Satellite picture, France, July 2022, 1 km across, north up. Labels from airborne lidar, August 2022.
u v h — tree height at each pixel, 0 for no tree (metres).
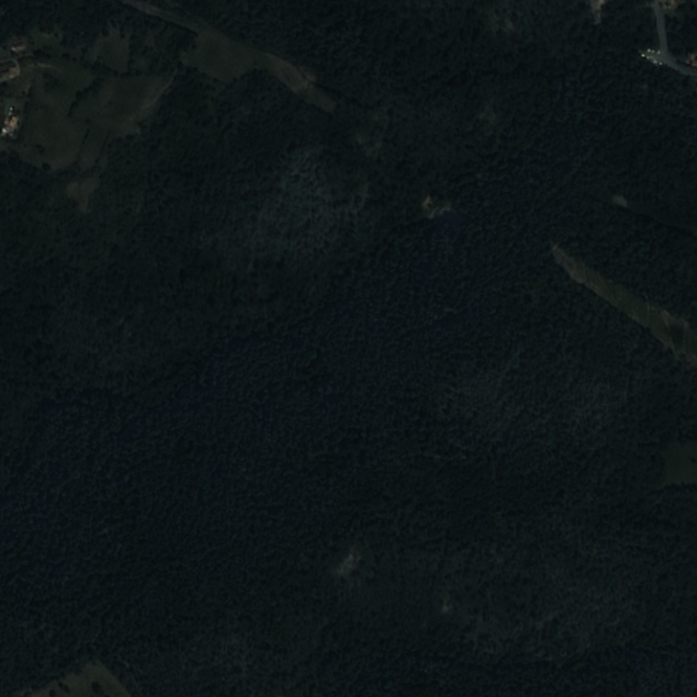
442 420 7
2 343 19
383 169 25
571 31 18
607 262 24
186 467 37
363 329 15
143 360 6
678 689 25
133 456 27
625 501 20
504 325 16
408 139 19
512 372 16
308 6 27
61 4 19
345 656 32
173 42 14
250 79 8
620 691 8
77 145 0
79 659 21
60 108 0
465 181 13
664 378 15
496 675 26
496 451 20
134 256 15
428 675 20
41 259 12
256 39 16
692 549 21
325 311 29
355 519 14
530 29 6
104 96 0
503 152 22
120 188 15
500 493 9
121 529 24
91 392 34
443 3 11
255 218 17
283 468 29
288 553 19
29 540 29
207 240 19
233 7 12
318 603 13
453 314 8
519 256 13
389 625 19
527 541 8
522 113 26
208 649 6
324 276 7
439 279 23
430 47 20
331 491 17
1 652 14
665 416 23
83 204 0
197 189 13
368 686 30
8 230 18
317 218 18
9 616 11
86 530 21
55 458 11
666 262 20
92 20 14
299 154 16
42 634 22
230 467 28
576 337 10
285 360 28
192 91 11
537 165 19
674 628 24
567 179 10
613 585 19
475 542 8
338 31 30
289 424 23
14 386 16
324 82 7
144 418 34
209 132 15
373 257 22
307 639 15
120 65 0
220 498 28
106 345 11
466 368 15
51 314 30
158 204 11
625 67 23
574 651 11
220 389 31
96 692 16
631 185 17
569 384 14
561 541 17
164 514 28
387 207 35
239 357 35
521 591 20
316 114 19
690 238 25
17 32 8
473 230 6
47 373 21
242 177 11
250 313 22
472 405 10
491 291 18
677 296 15
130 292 13
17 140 7
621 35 28
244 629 8
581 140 28
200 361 14
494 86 12
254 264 21
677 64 5
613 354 16
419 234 20
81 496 20
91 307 13
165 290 15
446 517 15
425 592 19
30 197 16
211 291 10
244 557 17
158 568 17
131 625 17
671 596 12
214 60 0
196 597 13
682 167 14
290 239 20
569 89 30
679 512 17
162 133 12
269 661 18
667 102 21
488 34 12
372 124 8
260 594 13
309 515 16
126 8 16
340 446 22
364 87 24
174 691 25
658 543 16
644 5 8
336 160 23
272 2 13
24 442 21
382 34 23
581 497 11
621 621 13
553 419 19
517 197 23
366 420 23
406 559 18
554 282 8
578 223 9
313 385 13
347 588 22
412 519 11
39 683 13
